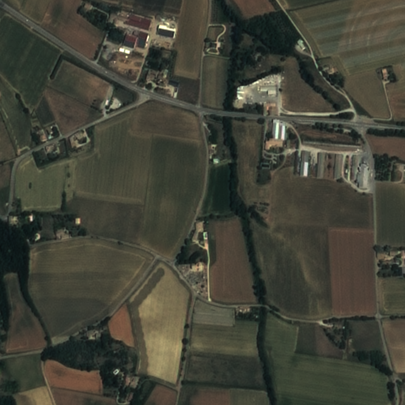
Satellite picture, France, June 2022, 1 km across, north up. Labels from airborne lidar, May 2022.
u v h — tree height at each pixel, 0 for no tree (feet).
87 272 0
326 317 0
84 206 0
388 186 0
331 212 0
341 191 0
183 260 46
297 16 0
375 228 0
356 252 0
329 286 0
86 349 21
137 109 0
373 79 0
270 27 31
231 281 0
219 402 0
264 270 0
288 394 0
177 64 0
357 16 0
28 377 0
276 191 0
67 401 0
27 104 0
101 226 0
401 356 0
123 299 0
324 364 0
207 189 0
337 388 0
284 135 0
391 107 0
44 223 0
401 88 0
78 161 0
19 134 0
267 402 0
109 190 0
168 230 0
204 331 0
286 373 0
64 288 0
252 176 0
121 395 32
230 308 0
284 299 0
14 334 0
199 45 0
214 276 0
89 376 0
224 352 0
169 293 0
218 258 0
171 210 0
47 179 0
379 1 0
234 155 53
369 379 0
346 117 45
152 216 0
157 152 0
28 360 0
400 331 0
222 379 0
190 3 0
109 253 0
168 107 0
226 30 0
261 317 31
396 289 0
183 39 0
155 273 0
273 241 0
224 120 51
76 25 0
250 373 0
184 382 32
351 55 0
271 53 29
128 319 0
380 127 0
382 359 20
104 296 0
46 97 0
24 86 0
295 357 0
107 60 0
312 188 0
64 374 0
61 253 0
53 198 0
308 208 0
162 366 0
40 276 0
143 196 0
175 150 0
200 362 0
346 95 0
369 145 0
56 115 0
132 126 0
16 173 0
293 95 0
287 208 0
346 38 0
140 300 0
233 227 0
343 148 0
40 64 0
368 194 0
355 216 0
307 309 0
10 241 75
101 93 0
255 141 0
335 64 0
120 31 27
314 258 0
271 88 0
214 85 0
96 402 0
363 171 0
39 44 0
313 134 0
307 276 0
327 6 0
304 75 55
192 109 0
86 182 0
